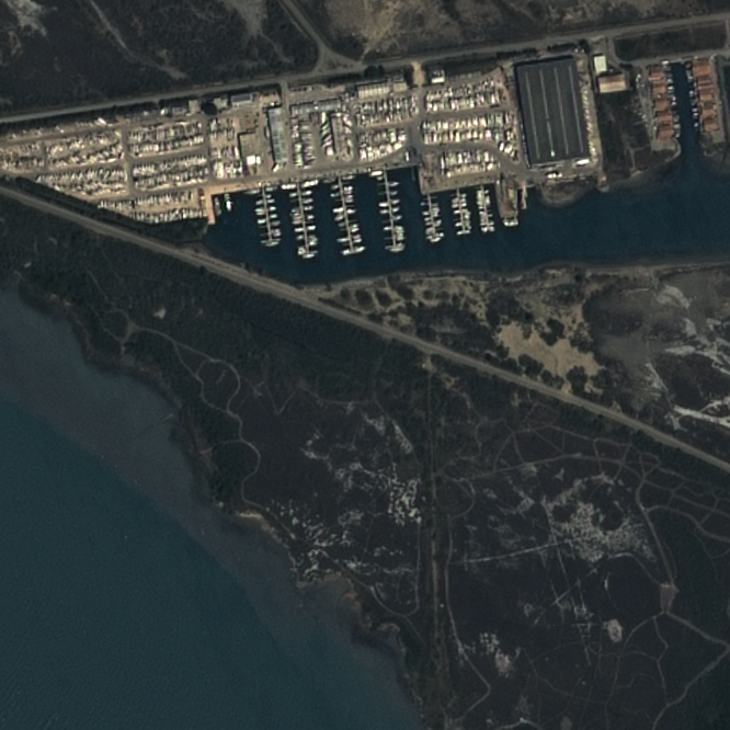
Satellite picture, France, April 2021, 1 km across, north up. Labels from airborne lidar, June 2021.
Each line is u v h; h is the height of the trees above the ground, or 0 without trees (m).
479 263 0
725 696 7
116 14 0
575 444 0
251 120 0
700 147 0
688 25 0
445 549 0
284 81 0
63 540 0
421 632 0
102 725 0
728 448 0
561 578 0
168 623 0
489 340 6
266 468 0
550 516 0
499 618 0
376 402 0
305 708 0
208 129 0
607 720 0
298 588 0
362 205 0
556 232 0
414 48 0
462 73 0
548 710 0
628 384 0
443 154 0
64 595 0
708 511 0
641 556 0
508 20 0
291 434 0
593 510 0
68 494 0
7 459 0
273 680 0
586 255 0
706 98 0
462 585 0
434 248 0
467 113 0
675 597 0
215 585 0
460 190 0
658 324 0
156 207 0
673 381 0
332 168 0
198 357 0
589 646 0
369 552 0
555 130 0
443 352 0
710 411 0
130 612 0
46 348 0
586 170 0
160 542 0
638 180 0
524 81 0
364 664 0
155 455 0
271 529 0
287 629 0
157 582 0
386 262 0
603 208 0
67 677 0
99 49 0
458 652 0
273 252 0
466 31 0
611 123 6
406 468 0
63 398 0
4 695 0
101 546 0
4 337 0
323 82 0
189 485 0
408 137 0
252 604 0
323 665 0
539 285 0
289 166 0
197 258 0
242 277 0
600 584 0
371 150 0
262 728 0
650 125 0
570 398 0
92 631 0
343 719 0
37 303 0
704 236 0
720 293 0
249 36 0
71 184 0
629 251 0
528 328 0
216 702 0
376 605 0
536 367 6
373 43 0
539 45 0
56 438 0
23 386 0
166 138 0
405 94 0
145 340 6
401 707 0
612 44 0
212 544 0
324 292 0
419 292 0
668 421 0
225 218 0
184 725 0
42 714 0
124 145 0
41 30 0
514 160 0
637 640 0
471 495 0
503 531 0
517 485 0
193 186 0
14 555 0
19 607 0
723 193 0
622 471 0
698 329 0
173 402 0
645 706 0
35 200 0
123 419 0
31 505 0
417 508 0
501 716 0
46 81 0
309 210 0
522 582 0
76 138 0
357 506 0
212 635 0
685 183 0
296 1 0
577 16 0
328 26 0
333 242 0
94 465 0
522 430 0
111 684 0
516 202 0
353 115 0
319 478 0
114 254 5
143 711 0
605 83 0
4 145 0
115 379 0
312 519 0
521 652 0
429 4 0
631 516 0
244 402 0
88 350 0
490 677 0
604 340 0
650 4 0
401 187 0
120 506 0
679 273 0
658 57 0
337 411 0
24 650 0
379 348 7
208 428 6
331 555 0
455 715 0
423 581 0
